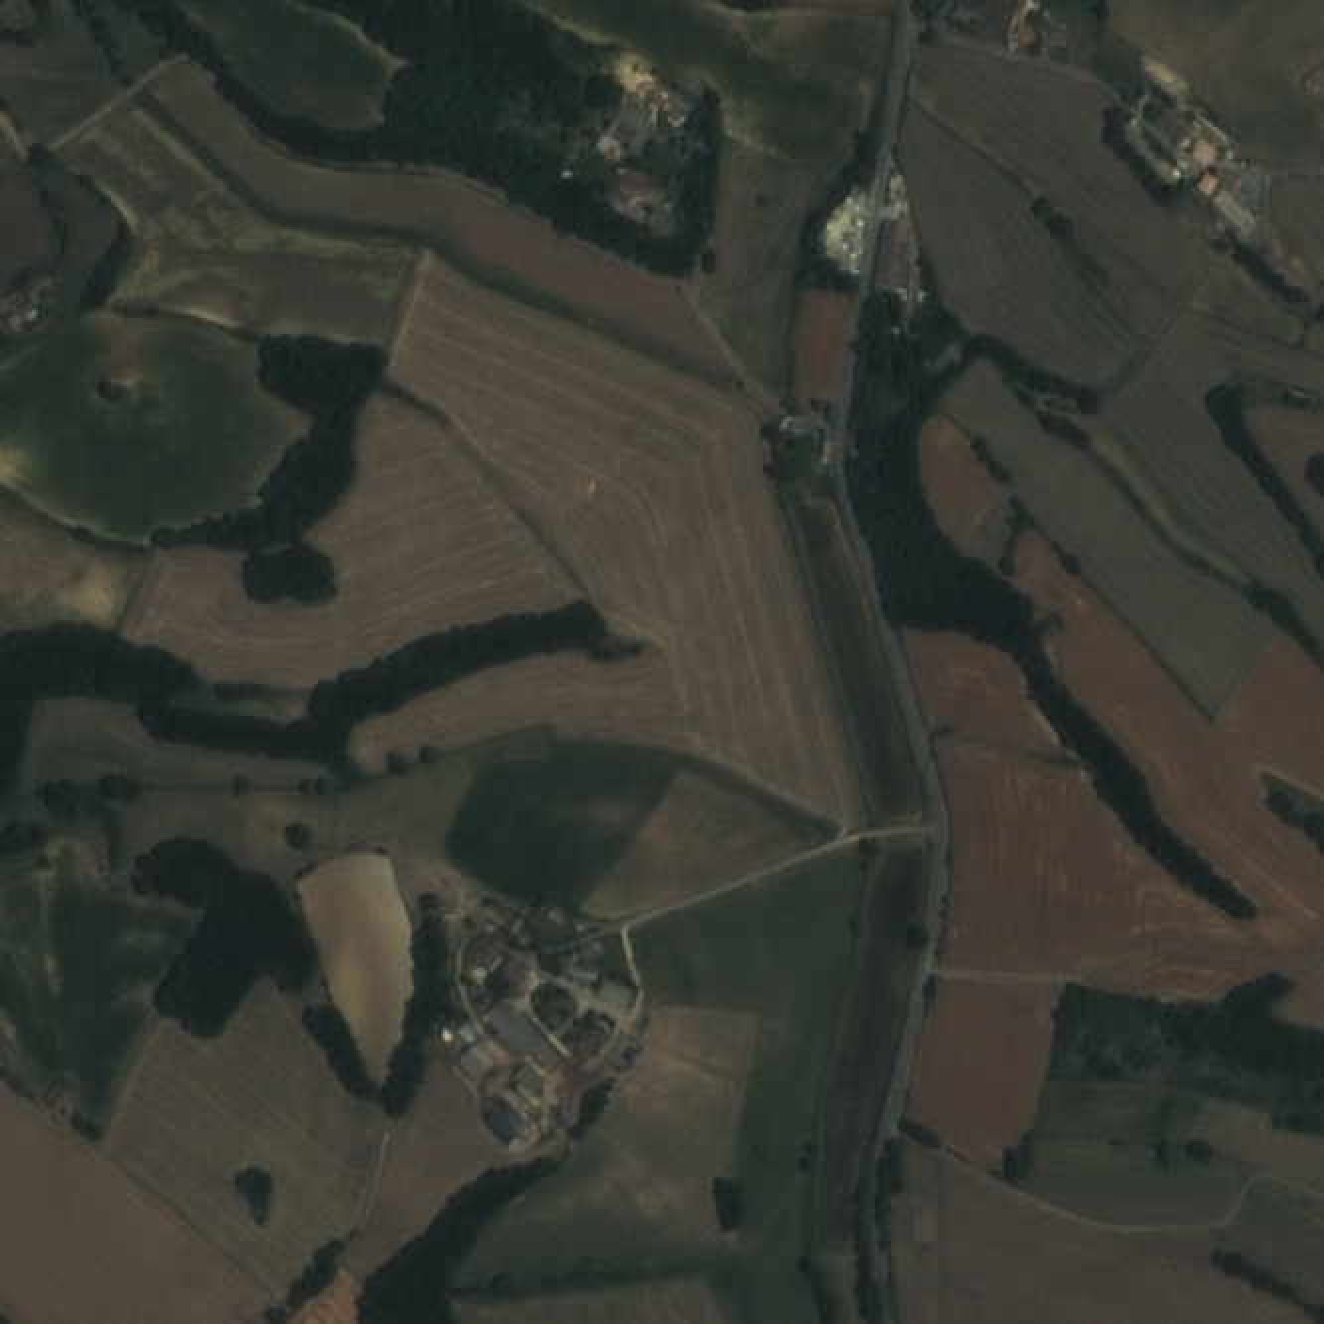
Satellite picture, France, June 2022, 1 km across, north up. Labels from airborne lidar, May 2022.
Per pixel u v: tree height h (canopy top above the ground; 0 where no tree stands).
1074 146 0
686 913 0
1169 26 0
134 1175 0
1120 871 0
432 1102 0
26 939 0
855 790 0
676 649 0
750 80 0
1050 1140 0
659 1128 0
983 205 0
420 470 0
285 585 15
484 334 0
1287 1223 0
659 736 0
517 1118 0
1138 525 0
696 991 0
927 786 0
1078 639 0
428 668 17
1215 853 0
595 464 0
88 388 0
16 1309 0
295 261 0
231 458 0
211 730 19
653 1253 0
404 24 19
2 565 0
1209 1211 0
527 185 18
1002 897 0
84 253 0
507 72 18
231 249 0
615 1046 0
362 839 0
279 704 0
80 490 0
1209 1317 0
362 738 0
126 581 0
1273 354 0
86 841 0
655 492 0
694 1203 0
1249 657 0
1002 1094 0
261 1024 0
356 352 13
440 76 17
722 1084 0
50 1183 0
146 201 0
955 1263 0
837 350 0
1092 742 15
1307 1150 0
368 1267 0
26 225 0
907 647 0
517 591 0
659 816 0
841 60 0
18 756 16
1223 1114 0
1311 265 0
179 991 16
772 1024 0
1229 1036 15
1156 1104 0
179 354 0
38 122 0
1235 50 0
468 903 0
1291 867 0
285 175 0
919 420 10
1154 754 0
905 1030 0
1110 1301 0
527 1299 0
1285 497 12
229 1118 0
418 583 0
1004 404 0
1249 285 0
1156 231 0
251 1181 13
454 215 0
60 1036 0
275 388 11
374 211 0
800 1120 0
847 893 0
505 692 0
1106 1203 0
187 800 0
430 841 0
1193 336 0
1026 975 0
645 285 0
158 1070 0
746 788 0
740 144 0
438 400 0
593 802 0
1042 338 0
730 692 0
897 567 13
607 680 0
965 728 0
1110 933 0
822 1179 0
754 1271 0
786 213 0
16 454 0
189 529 8
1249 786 0
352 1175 0
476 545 0
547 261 0
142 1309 0
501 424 0
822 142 0
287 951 21
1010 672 0
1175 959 0
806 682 0
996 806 0
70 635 17
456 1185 0
